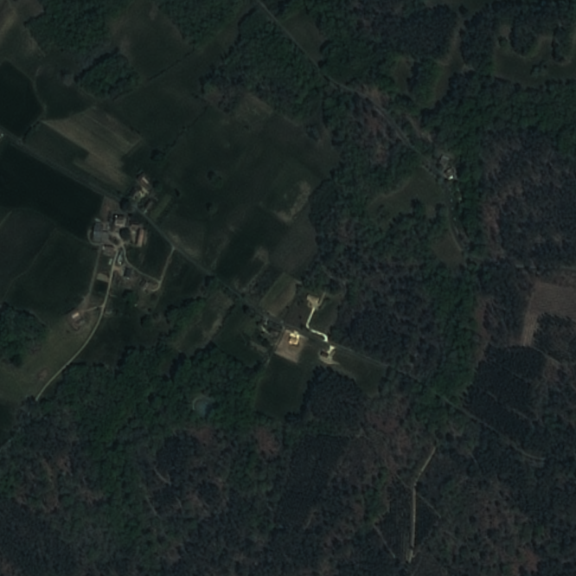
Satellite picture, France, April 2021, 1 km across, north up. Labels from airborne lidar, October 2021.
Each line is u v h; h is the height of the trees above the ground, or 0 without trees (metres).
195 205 0
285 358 0
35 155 0
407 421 12
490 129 24
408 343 23
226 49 0
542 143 29
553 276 25
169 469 10
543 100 19
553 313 0
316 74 22
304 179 0
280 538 23
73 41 15
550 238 22
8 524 26
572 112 22
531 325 0
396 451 10
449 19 27
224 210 0
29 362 0
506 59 0
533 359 12
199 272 0
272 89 21
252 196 0
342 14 29
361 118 19
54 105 0
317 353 0
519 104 19
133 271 0
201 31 11
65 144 0
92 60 15
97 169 0
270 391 0
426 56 30
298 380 0
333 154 0
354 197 18
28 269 0
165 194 0
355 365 0
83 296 0
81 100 0
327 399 26
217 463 8
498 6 0
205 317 0
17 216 0
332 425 22
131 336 0
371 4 25
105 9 21
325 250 21
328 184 9
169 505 11
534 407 13
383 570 22
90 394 24
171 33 0
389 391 21
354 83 14
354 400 25
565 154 18
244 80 19
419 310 27
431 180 0
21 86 0
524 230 22
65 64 0
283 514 11
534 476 15
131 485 23
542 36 16
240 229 0
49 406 19
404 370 17
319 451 12
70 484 15
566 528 20
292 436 9
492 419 13
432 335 26
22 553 27
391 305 22
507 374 14
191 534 15
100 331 0
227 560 21
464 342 27
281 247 0
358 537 11
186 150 0
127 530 18
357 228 11
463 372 18
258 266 0
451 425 15
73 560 27
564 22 18
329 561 14
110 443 13
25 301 0
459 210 11
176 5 24
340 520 21
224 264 0
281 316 0
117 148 0
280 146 0
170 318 19
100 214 0
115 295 0
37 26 13
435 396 23
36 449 26
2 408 0
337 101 8
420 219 15
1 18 0
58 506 8
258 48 22
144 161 0
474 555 14
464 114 29
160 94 0
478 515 10
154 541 18
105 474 26
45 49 11
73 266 0
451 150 22
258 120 0
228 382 12
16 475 8
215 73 21
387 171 10
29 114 0
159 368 20
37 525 29
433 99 17
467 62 18
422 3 17
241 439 13
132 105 0
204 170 0
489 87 17
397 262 9
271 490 19
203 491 18
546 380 9
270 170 0
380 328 24
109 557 17
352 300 18
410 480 10
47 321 0
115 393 23
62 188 0
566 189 7
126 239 10
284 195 0
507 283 26
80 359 0
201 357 15
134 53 0
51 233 0
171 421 24
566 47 14
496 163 18
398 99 15
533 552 23
